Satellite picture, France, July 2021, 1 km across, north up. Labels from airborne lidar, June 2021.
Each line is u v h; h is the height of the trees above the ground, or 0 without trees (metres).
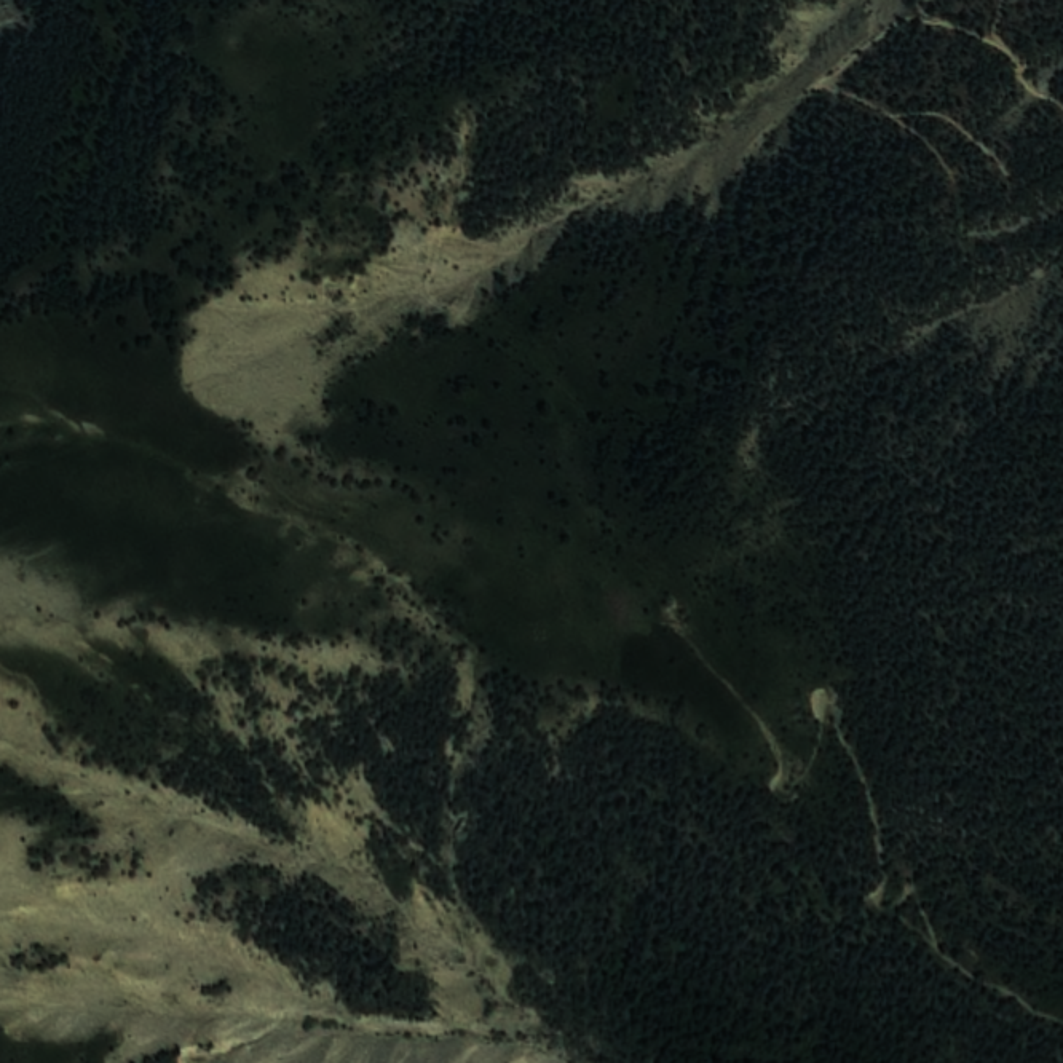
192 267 15
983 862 11
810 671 0
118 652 0
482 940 0
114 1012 0
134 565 0
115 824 0
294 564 0
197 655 0
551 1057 0
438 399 0
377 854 8
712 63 9
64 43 22
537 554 0
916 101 7
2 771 8
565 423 0
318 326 0
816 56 0
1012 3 10
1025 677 12
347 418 0
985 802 11
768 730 0
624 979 12
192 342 0
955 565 15
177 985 0
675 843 21
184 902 0
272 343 0
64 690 0
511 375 0
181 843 0
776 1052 9
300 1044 0
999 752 15
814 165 23
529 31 15
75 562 0
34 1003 0
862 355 14
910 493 7
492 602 0
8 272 14
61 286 10
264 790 7
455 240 0
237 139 13
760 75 7
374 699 7
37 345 0
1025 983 12
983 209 12
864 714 8
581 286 6
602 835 11
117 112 20
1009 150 9
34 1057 0
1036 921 16
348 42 10
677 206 10
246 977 0
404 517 0
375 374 0
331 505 0
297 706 9
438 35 11
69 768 0
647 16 14
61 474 0
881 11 0
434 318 6
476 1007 0
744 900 14
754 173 11
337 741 10
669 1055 21
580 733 9
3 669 0
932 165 9
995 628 17
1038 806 10
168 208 10
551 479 0
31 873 0
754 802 11
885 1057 7
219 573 0
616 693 7
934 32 10
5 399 0
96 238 12
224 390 0
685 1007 18
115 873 0
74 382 0
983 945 11
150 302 15
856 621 11
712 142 0
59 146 22
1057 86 16
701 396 7
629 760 14
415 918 0
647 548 0
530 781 16
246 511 0
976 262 8
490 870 12
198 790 7
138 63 23
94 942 0
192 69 8
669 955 20
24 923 0
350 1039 0
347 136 10
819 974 13
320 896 6
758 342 11
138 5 18
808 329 8
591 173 7
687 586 0
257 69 0
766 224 11
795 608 7
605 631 0
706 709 0
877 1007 20
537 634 0
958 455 11
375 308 0
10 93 21
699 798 15
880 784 7
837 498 15
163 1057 9
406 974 14
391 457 0
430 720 14
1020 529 11
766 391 7
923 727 7
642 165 6
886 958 22
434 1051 0
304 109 0
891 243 16
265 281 0
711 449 10
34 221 21
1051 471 8
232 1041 0
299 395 0
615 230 9
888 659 13
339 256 0
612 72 8
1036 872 9
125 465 0
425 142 10
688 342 0
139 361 0
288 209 11
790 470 6
